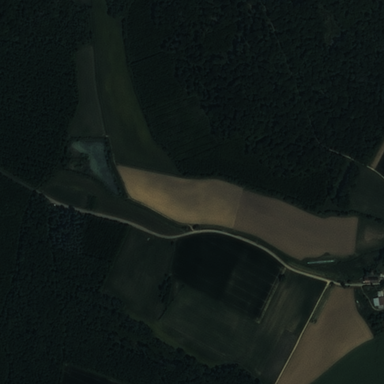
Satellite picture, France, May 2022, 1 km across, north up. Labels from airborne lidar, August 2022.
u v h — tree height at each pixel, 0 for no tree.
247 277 0
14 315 26
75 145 0
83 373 0
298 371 0
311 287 0
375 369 0
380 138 21
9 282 12
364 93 25
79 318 24
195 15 23
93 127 0
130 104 0
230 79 26
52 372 20
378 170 0
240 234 0
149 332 25
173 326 0
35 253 26
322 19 23
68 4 11
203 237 0
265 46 23
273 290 0
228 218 0
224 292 0
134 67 9
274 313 0
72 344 21
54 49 20
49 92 18
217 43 8
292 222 0
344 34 21
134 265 0
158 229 0
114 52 0
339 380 0
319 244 0
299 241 0
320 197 10
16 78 18
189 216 0
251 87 21
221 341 0
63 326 18
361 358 0
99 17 0
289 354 0
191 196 0
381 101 26
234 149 9
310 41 20
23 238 24
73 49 14
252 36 27
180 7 26
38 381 22
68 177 0
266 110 23
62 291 20
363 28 23
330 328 0
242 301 0
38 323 23
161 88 11
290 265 0
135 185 0
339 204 21
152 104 7
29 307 27
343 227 0
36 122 16
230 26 9
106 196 0
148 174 0
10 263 14
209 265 0
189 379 21
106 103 0
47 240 24
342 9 23
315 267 0
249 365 0
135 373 22
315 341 0
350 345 0
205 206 0
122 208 0
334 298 0
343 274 0
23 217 11
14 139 20
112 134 0
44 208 25
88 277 21
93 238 12
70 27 11
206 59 26
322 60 20
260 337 0
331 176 13
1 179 14
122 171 0
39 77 15
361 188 0
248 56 27
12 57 19
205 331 0
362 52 20
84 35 12
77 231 30
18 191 12
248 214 0
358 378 0
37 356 20
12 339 22
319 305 0
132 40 7
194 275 0
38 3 21
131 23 8
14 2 22
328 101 22
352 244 0
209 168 12
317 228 0
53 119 20
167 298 13
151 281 0
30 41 19
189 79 24
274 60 17
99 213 0
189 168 12
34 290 27
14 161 21
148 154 0
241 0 22
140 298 0
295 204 14
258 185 10
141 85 12
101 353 21
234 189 0
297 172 21
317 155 18
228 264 0
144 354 22
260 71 28
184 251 0
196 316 0
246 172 12
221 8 12
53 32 9
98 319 28
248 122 20
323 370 0
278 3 23
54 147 19
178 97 8
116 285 0
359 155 21
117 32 0
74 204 0
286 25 26
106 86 0
